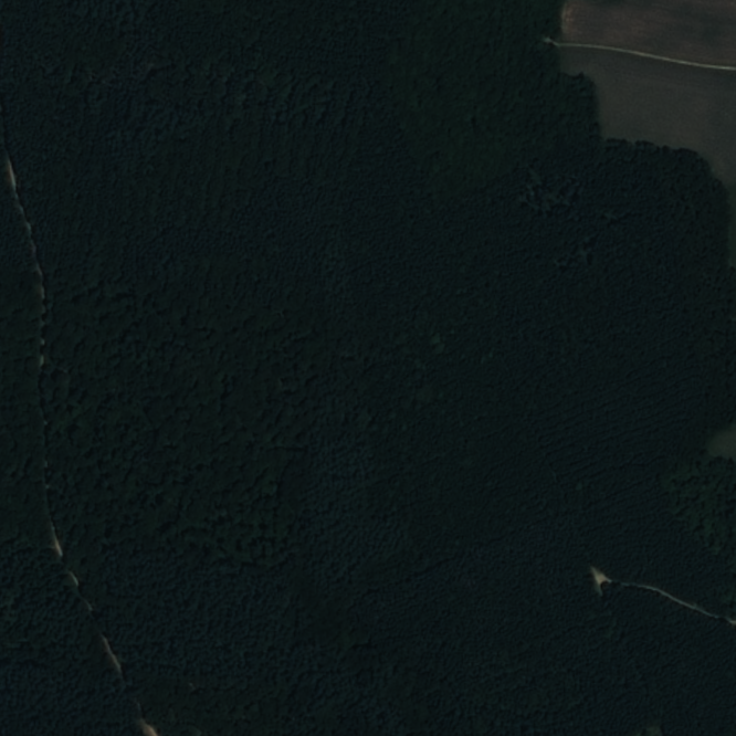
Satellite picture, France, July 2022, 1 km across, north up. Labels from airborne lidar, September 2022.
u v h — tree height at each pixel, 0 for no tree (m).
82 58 22
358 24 20
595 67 0
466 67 22
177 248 32
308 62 20
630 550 23
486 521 15
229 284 25
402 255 21
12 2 21
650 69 0
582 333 24
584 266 25
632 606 19
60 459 23
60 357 8
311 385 27
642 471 18
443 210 22
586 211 24
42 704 29
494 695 17
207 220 30
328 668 27
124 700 32
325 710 35
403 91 21
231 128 20
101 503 24
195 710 16
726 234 14
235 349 23
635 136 0
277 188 33
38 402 7
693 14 0
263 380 25
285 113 28
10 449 20
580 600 20
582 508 14
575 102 21
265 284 26
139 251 30
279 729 19
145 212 28
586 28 0
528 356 20
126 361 23
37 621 25
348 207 23
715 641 20
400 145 20
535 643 22
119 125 31
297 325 22
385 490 17
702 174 23
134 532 22
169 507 25
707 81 0
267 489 19
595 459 18
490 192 21
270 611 30
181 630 23
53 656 30
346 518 30
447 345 15
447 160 17
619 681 24
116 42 30
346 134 27
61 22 24
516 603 24
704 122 0
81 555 25
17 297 24
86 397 24
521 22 19
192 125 36
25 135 26
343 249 29
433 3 19
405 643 24
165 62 26
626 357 22
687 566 20
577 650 21
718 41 0
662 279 17
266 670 22
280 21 19
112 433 22
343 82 20
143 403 11
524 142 21
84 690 21
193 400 20
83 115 24
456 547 19
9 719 30
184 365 24
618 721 24
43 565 13
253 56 17
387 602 24
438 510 19
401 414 17
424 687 24
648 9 0
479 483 15
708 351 22
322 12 20
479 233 22
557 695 21
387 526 25
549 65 20
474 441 13
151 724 20
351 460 34
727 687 23
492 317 21
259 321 29
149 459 20
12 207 24
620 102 0
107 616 28
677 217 21
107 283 26
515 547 24
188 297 22
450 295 20
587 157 25
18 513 22
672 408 17
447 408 16
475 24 21
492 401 16
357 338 25
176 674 27
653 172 26
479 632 19
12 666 31
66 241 27
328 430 26
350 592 33
